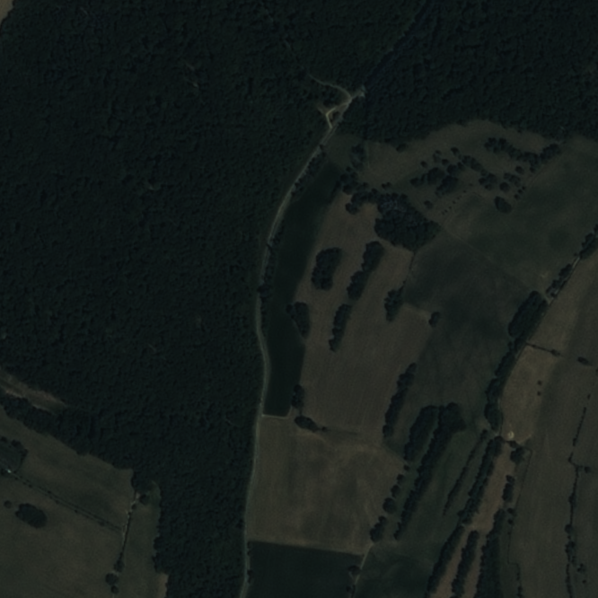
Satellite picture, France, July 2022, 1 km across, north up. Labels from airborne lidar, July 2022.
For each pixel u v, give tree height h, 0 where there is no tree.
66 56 18
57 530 0
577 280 0
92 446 17
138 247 21
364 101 6
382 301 0
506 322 0
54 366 21
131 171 26
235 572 15
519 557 0
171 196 22
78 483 0
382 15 12
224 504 19
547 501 0
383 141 8
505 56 22
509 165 0
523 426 0
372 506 0
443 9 23
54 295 21
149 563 0
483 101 20
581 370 0
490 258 0
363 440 0
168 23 25
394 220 20
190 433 17
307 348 0
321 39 22
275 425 0
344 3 13
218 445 19
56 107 23
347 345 0
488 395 12
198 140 23
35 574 0
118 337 17
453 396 0
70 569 0
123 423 21
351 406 0
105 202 17
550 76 18
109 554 0
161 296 17
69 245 19
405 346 0
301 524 0
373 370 0
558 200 0
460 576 12
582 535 0
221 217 15
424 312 0
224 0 21
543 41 21
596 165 0
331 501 0
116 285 23
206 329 18
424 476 18
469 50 21
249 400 19
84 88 22
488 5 18
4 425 0
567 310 0
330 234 0
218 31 16
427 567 0
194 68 20
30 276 20
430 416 18
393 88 22
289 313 14
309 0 16
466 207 0
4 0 0
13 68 15
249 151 16
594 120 17
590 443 0
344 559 0
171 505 16
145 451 20
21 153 21
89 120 22
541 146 0
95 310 23
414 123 17
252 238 19
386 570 0
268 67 15
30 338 21
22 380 15
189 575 16
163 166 20
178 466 10
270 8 19
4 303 25
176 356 17
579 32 20
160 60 25
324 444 0
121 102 19
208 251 16
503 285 0
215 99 19
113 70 23
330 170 0
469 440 0
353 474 0
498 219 0
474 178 0
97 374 18
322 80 14
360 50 18
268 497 0
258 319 0
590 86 19
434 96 23
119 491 0
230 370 18
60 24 22
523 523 0
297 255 0
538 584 0
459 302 0
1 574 0
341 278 0
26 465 0
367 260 17
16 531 0
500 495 0
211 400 18
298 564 0
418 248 8
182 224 18
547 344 0
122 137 22
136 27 22
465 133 0
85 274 21
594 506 0
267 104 11
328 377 0
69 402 17
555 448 0
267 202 14
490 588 14
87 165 19
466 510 7
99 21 24
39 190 19
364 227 0
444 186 9
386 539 0
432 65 29
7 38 18
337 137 0
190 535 11
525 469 0
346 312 17
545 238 0
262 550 0
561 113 14
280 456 0
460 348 0
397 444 0
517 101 17
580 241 0
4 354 20
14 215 24
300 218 0
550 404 0
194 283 17
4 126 21
